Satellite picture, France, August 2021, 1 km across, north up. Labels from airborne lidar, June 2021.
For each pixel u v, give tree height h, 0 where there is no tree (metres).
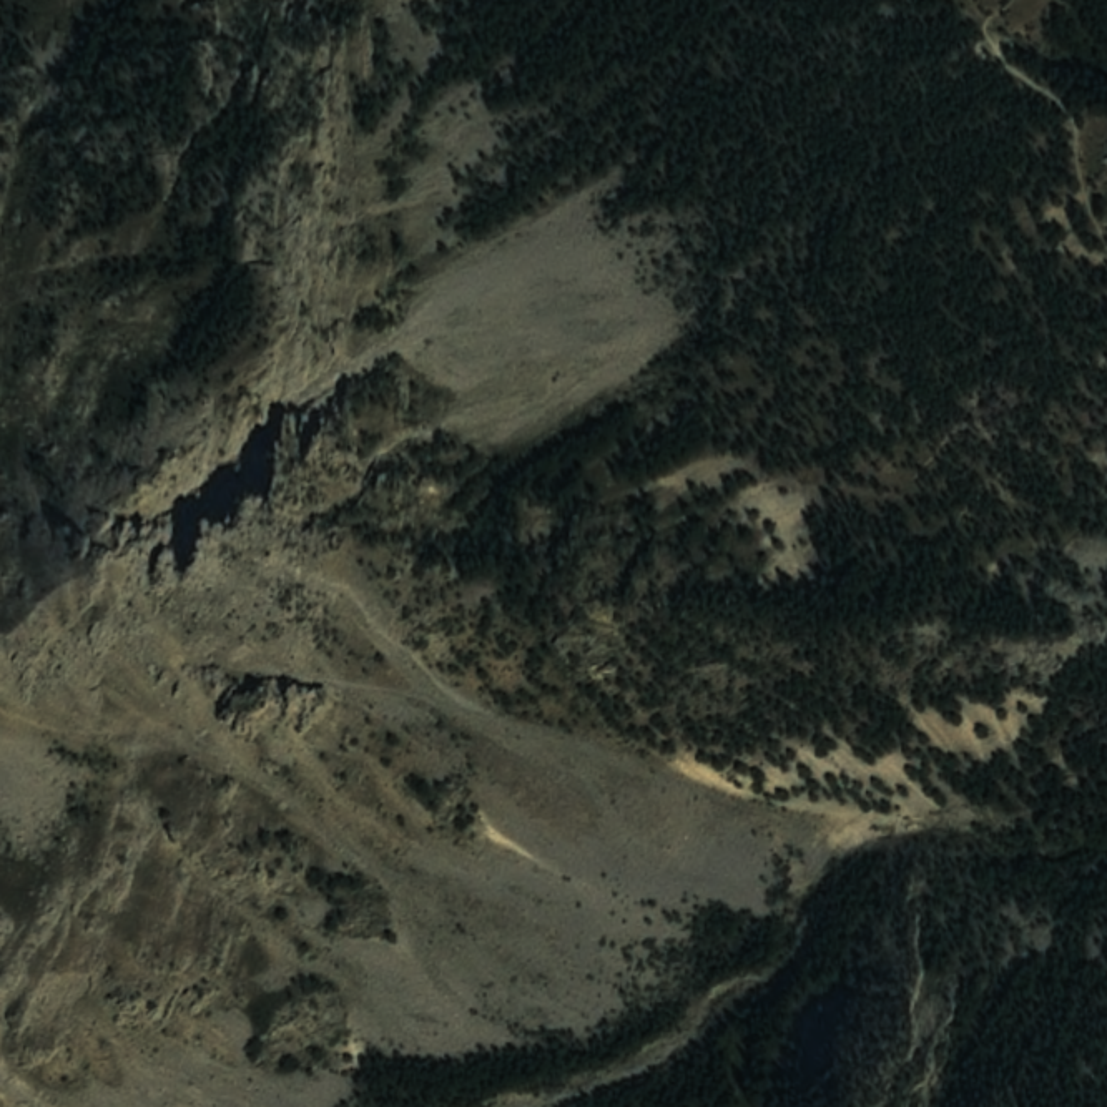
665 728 21
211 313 10
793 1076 6
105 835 0
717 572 0
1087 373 18
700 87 15
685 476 0
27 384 0
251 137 9
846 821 0
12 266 0
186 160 12
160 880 0
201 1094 0
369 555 0
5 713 0
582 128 16
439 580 0
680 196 17
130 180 8
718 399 14
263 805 0
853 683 9
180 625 0
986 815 0
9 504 0
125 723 0
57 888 0
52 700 0
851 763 0
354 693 0
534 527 0
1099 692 15
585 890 0
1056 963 14
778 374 17
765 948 7
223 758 0
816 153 15
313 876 10
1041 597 21
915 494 0
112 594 0
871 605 16
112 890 0
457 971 0
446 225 15
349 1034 0
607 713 18
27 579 0
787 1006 18
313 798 0
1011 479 19
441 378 0
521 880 0
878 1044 11
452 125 0
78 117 7
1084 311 20
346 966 0
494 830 0
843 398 15
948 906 12
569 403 0
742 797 0
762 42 17
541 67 18
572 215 0
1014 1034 12
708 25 13
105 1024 0
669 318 0
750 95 12
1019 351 20
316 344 0
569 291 0
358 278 0
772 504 0
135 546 0
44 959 0
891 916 8
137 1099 0
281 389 0
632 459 25
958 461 19
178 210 6
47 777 0
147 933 0
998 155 18
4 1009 0
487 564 17
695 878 0
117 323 0
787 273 15
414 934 0
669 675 10
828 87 16
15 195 0
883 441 17
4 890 0
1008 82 13
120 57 9
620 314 0
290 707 0
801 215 16
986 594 17
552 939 0
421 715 0
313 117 6
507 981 0
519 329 0
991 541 15
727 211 13
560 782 0
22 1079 0
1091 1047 12
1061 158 24
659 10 19
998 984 5
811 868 0
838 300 13
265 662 0
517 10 20
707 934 7
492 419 0
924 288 17
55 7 0
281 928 0
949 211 19
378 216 0
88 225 11
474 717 0
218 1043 0
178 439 0
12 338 0
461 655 10
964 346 16
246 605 0
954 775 14
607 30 18
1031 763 17
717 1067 22
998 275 20
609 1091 8
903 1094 7
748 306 14
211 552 0
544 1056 20
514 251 0
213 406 0
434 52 0
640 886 0
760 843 0
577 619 11
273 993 0
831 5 18
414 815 0
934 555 21
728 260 13
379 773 0
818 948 12
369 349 0
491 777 0
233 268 14
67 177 7
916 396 17
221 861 0
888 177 16
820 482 0
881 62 14
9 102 7
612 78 16
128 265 8
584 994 0
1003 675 12
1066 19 20
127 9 20
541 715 6
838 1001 10
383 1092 18
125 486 0
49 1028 0
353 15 9
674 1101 19
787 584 26
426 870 0
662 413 0
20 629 0
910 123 19
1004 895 13
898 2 20
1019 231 15
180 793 0
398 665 0
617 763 0
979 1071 12
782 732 9
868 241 16
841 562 23
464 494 8
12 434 0
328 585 0
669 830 0
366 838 0
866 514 22
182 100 12
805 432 19
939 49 12
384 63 14
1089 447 19
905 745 13
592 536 9
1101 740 13
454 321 0
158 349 0
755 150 14
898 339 12
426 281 0
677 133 14
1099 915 9
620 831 0
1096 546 0
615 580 0
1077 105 24
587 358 0
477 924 0
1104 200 17
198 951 0
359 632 0
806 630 14
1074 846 8
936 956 16
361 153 0
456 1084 21
